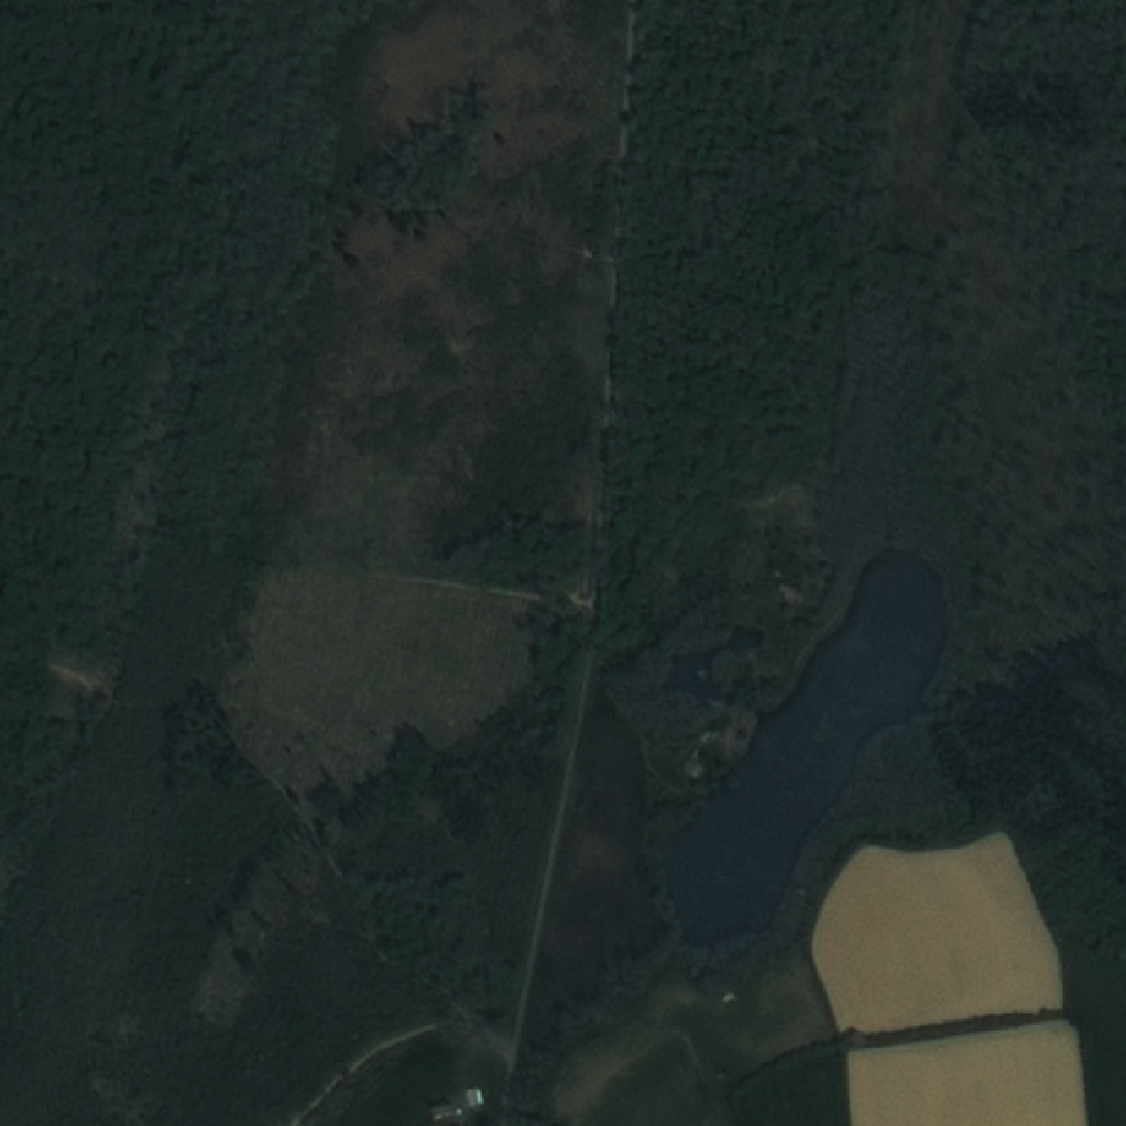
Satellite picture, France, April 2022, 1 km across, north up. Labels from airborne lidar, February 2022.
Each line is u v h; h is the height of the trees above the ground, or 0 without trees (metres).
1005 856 0
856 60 24
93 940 11
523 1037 0
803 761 0
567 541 22
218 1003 0
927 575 0
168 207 26
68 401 30
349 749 0
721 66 26
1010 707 33
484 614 0
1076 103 28
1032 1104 0
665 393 25
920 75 0
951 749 30
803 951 8
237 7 23
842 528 21
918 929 0
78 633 22
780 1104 0
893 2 20
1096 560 30
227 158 26
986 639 0
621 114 0
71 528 29
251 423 28
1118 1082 0
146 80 23
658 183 26
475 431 0
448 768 10
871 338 21
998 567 25
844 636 0
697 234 25
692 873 0
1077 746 30
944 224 0
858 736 0
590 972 0
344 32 21
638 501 23
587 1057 0
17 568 27
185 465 21
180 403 23
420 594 0
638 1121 0
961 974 0
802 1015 0
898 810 22
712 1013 0
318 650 0
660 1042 0
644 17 17
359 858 7
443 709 0
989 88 27
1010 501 24
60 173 25
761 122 25
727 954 21
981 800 31
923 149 0
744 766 0
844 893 0
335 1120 0
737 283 28
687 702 19
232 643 10
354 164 6
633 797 0
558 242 0
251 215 27
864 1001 0
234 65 19
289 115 25
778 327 25
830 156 22
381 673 0
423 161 23
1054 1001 0
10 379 28
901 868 0
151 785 10
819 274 26
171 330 28
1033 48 25
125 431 26
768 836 0
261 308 25
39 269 26
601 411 0
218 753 22
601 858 0
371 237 0
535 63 0
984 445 24
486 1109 0
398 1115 0
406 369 0
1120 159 30
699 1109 0
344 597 0
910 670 0
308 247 24
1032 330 27
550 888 0
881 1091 0
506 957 26
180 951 9
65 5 25
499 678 0
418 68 0
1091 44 26
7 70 22
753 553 0
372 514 0
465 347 0
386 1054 0
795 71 24
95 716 24
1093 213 27
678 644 17
